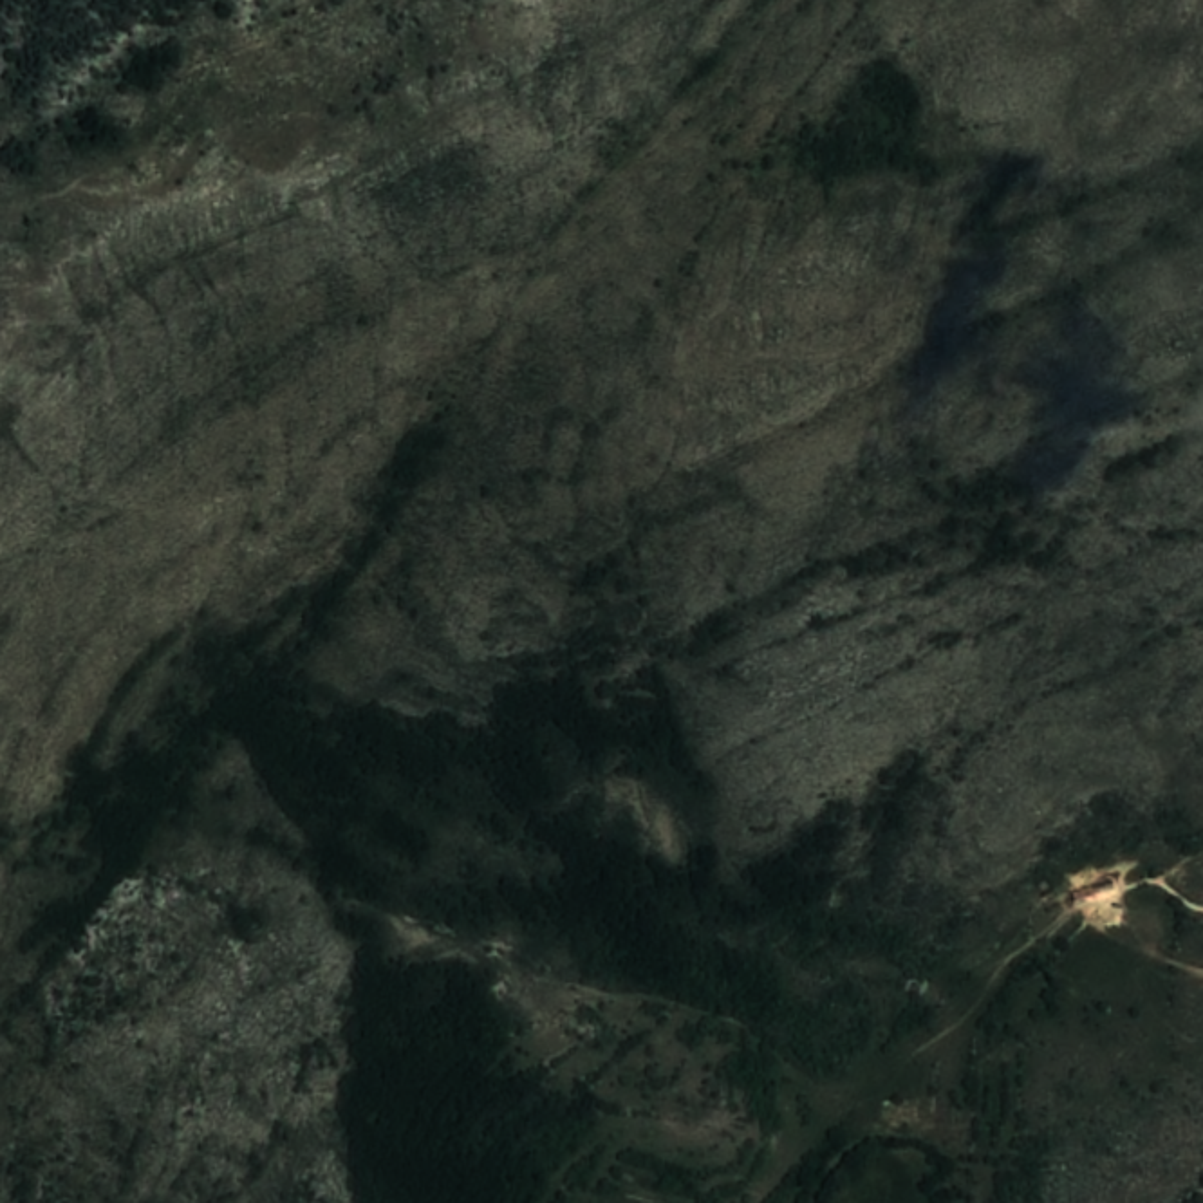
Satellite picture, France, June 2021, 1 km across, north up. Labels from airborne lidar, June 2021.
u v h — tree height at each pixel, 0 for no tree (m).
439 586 0
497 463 0
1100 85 0
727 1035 7
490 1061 7
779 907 8
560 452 0
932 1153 6
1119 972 0
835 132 10
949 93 0
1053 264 0
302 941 0
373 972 13
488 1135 11
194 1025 0
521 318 0
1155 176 0
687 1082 0
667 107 0
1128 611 0
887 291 0
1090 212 0
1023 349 0
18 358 0
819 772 0
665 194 0
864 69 9
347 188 0
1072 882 0
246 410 0
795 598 0
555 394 0
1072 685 6
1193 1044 0
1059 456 0
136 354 0
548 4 0
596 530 0
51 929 8
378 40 0
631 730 12
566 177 0
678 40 0
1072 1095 0
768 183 0
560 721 15
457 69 0
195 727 13
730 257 0
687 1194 8
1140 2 0
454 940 0
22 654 0
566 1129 5
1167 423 0
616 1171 8
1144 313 0
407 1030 12
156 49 11
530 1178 10
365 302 0
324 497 0
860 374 0
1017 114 0
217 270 0
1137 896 0
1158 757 0
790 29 0
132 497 0
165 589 0
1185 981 0
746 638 0
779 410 0
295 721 10
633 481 0
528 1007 0
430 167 0
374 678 0
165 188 0
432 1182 12
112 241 0
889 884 0
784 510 0
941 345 9
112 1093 0
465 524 0
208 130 0
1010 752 0
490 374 0
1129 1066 0
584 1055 0
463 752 12
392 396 0
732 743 0
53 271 0
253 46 0
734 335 0
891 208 0
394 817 11
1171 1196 0
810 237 0
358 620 0
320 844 8
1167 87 0
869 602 0
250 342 0
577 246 0
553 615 0
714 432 0
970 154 0
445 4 0
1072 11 0
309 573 0
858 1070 0
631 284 0
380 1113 9
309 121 0
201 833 0
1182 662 0
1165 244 0
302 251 0
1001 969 0
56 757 0
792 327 0
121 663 0
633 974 11
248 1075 0
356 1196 9
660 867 12
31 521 0
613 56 0
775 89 0
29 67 9
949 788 0
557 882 12
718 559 0
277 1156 0
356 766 9
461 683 0
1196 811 0
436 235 0
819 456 0
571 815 9
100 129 9
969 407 0
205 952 0
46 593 0
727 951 9
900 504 0
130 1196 0
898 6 0
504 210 0
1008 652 0
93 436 0
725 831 0
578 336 0
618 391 0
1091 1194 0
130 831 10
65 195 0
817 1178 10
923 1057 0
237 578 0
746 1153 7
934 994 0
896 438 0
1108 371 0
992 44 0
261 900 0
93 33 8
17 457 0
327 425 0
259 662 7
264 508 0
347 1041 9
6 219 0
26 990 7
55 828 9
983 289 0
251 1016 0
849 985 7
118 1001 9
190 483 0
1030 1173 6
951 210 0
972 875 0
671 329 0
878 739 0
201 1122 0
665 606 0
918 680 0
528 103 0
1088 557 0
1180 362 0
